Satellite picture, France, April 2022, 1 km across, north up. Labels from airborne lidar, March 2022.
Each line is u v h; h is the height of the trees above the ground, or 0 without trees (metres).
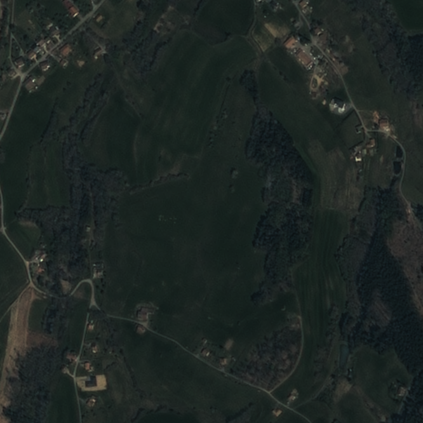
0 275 0
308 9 0
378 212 15
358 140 0
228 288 0
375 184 0
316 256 0
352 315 16
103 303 0
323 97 0
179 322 0
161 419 0
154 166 0
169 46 8
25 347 0
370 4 22
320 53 0
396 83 13
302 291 0
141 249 0
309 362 0
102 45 14
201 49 0
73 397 0
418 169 0
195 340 0
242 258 0
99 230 19
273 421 0
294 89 0
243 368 13
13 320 0
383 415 0
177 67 0
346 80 0
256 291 0
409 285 20
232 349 0
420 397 14
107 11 0
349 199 0
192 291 0
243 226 0
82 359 0
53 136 19
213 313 0
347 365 0
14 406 17
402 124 0
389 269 22
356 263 16
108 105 0
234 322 0
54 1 0
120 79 0
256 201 0
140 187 7
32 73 0
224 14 0
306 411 0
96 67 0
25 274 0
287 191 20
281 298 0
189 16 0
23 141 0
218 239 0
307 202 16
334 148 0
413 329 28
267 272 12
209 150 0
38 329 0
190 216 0
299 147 0
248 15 0
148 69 16
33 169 0
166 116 0
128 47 17
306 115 0
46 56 0
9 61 0
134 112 0
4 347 0
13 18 0
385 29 21
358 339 24
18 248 0
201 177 0
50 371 18
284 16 0
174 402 0
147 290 0
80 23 0
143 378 0
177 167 0
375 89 0
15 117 0
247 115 0
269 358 28
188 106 0
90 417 0
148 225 0
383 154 0
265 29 0
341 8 0
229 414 0
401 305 24
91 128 12
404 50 15
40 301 0
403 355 28
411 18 0
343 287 0
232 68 0
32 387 20
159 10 0
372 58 0
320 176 0
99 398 0
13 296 0
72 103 0
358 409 0
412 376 12
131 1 0
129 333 0
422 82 21
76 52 0
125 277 0
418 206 0
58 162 0
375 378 0
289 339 0
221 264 0
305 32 0
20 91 0
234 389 0
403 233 0
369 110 0
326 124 0
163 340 0
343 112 0
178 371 0
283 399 0
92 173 23
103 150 0
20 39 10
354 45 0
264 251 18
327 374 0
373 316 27
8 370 0
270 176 19
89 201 24
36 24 0
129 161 0
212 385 0
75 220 17
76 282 12
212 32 0
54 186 0
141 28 16
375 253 21
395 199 19
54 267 22
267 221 18
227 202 0
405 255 0
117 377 0
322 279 0
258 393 0
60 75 0
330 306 0
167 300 0
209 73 0
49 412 26
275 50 0
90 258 20
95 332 0
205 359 0
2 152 15
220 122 8
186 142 0
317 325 0
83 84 0
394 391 5
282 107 0
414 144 0
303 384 0
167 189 0
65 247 17
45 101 0
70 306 18
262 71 0
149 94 0
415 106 0
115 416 0
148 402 0
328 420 0
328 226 0
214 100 0
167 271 0
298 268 0
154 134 0
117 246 0
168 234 0
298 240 20
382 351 24
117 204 19
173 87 0
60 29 7
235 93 0
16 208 0
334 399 0
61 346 0
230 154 0
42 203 0
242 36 0
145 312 0
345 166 0
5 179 0
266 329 0
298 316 0
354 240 14
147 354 0
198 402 0
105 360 0
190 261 0
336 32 0
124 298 0
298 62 0
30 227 0
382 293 22
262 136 13
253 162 24
